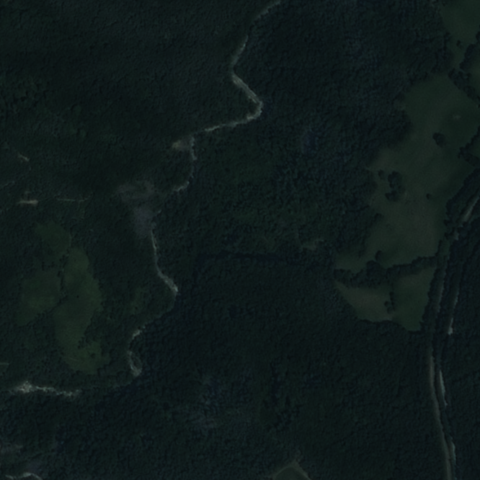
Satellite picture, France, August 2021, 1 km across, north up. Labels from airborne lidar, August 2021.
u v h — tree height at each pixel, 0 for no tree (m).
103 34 17
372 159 17
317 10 16
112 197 17
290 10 20
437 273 13
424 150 0
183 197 16
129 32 18
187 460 15
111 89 21
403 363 21
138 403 22
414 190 0
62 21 23
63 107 16
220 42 18
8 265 15
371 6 21
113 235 18
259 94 13
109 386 11
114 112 25
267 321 32
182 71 13
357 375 17
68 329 0
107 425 26
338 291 15
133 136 24
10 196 6
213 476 16
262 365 22
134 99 25
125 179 23
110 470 9
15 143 15
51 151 10
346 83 22
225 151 16
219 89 15
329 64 23
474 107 0
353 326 21
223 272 26
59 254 0
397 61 17
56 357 19
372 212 16
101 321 15
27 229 17
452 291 20
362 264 0
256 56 17
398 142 17
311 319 14
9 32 15
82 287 0
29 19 19
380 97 13
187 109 13
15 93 23
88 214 14
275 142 15
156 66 13
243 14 24
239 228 9
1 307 7
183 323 24
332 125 19
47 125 9
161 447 12
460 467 21
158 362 15
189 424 10
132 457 8
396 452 26
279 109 16
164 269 14
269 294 20
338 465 21
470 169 0
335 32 21
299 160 18
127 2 16
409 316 0
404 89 12
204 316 28
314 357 25
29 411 21
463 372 8
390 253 0
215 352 23
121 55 12
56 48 15
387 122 24
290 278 17
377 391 14
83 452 21
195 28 15
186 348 31
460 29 0
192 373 22
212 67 12
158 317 16
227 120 13
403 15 24
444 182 0
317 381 25
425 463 24
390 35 24
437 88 0
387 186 0
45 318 13
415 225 0
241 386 13
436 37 14
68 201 7
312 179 15
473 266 22
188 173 23
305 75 24
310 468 11
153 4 18
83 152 20
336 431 23
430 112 0
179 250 7
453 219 21
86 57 14
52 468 17
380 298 0
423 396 17
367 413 26
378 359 19
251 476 9
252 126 12
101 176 25
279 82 22
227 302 24
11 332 11
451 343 27
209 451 12
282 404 34
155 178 14
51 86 26
